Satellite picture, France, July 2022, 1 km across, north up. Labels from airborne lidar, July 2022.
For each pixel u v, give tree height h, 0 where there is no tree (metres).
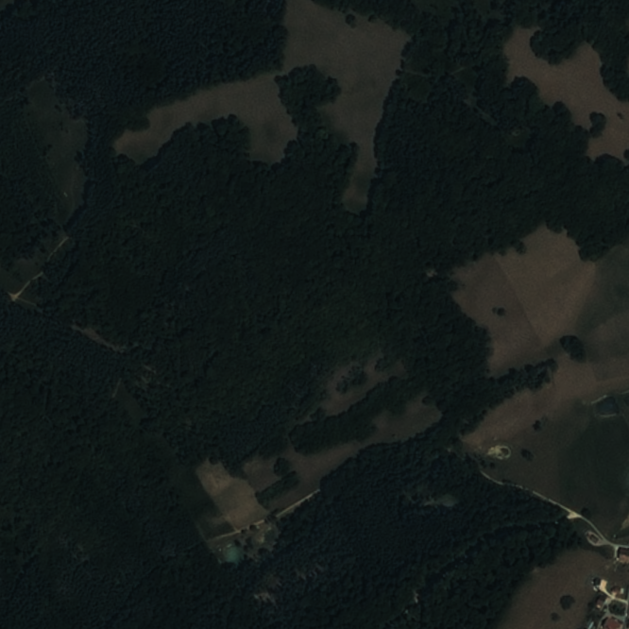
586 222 30
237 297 22
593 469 0
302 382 16
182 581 20
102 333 16
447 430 20
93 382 19
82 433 24
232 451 21
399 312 24
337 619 26
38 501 21
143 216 16
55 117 0
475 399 22
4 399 20
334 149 22
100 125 19
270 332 18
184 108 0
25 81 20
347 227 20
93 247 23
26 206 20
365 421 10
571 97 0
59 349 21
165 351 19
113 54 21
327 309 14
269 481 0
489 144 22
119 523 16
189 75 23
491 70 25
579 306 0
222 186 25
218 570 13
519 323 0
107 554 14
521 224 24
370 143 0
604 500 0
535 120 25
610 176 20
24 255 15
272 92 0
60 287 18
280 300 19
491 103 22
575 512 0
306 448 23
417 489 30
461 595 27
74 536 10
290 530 18
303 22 0
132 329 12
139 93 22
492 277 0
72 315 18
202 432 19
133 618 33
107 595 16
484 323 0
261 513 0
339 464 0
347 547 26
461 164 18
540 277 0
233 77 14
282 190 20
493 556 30
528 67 0
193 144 17
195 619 23
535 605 0
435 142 16
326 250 21
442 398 23
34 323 22
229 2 17
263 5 20
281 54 18
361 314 13
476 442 0
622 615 9
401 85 14
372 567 26
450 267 22
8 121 9
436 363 21
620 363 0
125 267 9
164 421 21
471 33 18
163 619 24
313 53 0
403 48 0
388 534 19
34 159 7
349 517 25
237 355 21
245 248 16
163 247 12
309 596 26
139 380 23
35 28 21
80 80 21
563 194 22
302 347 16
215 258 20
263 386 14
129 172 25
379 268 16
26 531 7
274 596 25
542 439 0
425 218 22
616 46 23
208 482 0
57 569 15
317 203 18
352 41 0
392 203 24
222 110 0
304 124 20
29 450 16
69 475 26
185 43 22
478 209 17
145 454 13
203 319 21
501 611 20
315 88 23
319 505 25
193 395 17
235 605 21
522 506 31
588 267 0
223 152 26
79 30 22
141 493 18
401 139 18
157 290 13
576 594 0
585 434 0
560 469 0
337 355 7
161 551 23
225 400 19
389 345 13
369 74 0
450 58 16
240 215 19
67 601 14
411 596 32
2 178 19
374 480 23
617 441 0
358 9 21
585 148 25
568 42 17
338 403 0
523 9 18
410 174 23
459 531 22
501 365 0
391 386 17
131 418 18
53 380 19
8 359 23
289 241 21
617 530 0
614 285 0
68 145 0
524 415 0
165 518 15
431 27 21
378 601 32
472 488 24
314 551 25
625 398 0
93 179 21
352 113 0
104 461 10
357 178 0
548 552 29
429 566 29
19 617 19
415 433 0
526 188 14
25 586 19
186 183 15
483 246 24
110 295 10
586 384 0
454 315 27
